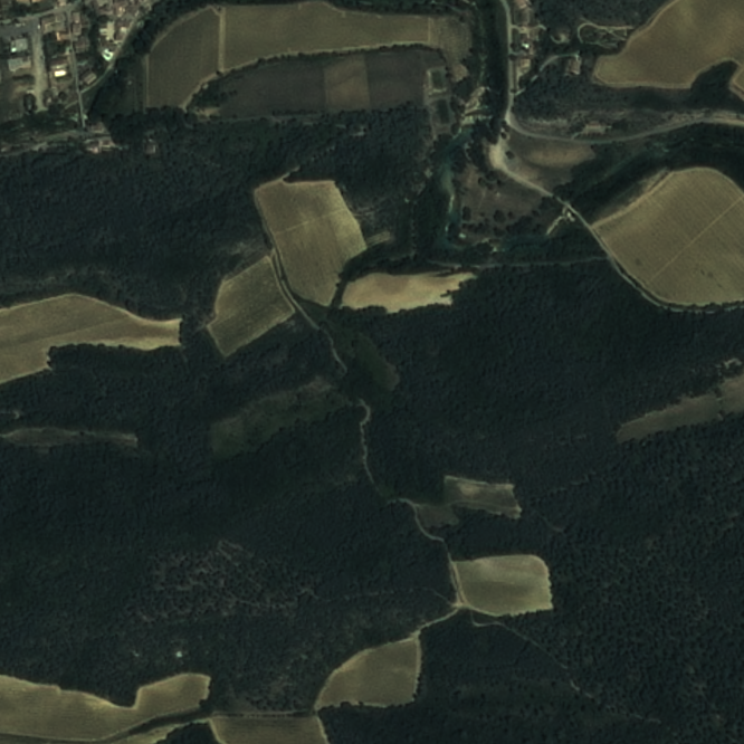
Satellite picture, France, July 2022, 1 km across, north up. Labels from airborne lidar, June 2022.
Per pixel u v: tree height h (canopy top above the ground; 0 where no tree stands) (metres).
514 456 13
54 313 0
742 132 8
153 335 0
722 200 0
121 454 8
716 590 20
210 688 10
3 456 13
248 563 11
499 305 9
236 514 11
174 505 15
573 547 18
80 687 9
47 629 9
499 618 7
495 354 9
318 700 0
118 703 6
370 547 13
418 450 11
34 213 13
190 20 0
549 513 15
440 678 8
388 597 8
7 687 0
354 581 13
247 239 10
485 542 15
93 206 12
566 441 18
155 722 8
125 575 12
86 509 12
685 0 0
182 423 10
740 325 8
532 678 11
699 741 20
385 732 10
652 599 20
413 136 11
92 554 7
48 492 11
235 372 12
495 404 7
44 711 0
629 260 0
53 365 17
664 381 9
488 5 9
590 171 10
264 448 11
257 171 8
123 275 8
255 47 0
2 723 0
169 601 14
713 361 8
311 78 0
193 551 7
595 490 19
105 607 12
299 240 0
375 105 0
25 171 11
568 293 10
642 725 7
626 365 9
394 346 13
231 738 0
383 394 6
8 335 0
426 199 12
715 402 0
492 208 0
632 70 0
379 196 7
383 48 8
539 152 0
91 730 0
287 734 0
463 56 0
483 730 5
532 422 8
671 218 0
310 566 14
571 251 8
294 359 9
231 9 0
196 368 13
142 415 9
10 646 12
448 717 10
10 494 16
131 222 11
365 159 10
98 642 11
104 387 13
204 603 12
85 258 6
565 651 13
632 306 9
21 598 9
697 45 0
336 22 0
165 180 10
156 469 12
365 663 0
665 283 0
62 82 0
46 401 13
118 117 12
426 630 9
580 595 13
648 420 0
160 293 8
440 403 11
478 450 10
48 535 7
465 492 0
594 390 12
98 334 0
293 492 8
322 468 12
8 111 0
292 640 12
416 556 10
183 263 9
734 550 9
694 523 16
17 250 9
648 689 21
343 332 0
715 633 22
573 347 11
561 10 9
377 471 12
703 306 6
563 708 7
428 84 0
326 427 7
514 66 0
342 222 0
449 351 7
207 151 9
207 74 0
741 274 0
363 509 15
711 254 0
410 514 10
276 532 12
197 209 8
